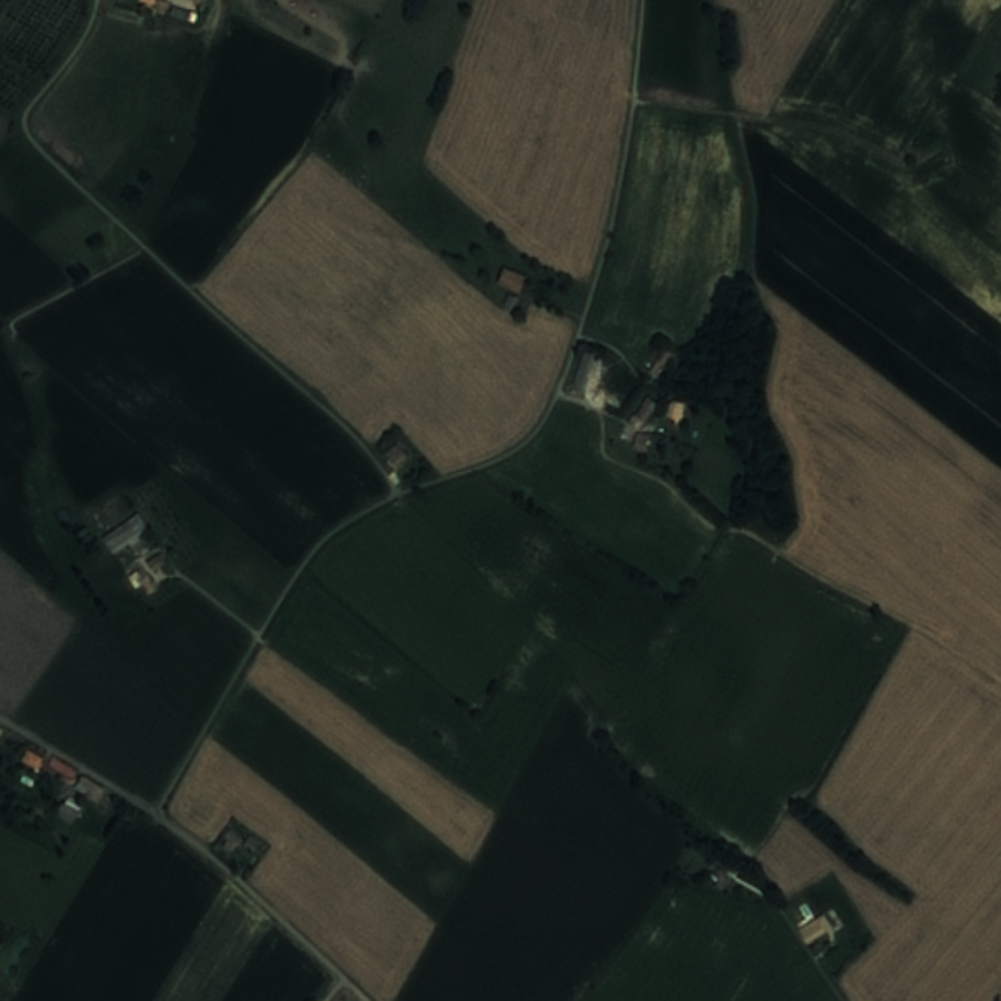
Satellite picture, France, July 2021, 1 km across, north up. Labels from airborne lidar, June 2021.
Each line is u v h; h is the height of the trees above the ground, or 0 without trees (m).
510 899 0
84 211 0
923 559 0
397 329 0
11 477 0
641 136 0
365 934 0
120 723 0
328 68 0
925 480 0
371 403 0
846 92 0
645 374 9
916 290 0
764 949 0
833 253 0
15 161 0
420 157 0
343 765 0
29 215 0
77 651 0
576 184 0
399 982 0
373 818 0
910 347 0
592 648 0
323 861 0
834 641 0
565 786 0
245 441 0
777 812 0
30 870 0
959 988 0
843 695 0
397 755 0
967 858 0
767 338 20
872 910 0
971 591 0
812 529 0
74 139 0
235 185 0
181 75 0
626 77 0
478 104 0
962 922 0
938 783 0
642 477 0
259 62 0
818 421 0
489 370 0
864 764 0
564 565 0
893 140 0
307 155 0
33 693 0
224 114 0
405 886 0
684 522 0
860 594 0
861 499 0
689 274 0
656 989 0
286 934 0
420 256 0
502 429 0
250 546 0
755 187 0
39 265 0
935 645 0
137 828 0
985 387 0
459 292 0
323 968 0
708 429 0
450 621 0
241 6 0
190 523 0
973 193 0
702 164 0
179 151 0
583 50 0
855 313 0
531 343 0
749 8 0
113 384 0
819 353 0
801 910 0
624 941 0
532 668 0
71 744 0
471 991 0
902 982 0
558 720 0
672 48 0
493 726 0
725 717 0
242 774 0
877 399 0
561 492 0
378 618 0
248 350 0
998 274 0
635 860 0
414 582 0
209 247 0
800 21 0
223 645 0
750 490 23
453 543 0
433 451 0
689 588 8
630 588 0
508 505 0
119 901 0
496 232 14
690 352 9
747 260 0
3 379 0
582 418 0
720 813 0
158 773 0
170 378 0
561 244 0
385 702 0
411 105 0
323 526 0
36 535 0
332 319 0
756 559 0
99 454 0
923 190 0
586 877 0
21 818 7
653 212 0
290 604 0
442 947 0
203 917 0
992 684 0
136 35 0
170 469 0
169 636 0
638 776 15
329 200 0
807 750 0
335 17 0
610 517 0
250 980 0
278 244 0
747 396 32
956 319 0
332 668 0
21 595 0
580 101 0
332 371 0
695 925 0
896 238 0
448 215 0
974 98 0
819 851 0
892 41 0
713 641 0
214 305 0
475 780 0
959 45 0
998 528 0
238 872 12
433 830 0
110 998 0
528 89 0
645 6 0
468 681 0
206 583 0
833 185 0
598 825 0
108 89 0
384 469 0
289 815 0
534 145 0
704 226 0
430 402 0
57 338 0
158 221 0
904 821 0
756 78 0
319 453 0
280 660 0
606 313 0
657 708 0
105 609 24
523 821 0
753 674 0
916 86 0
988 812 0
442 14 0
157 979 0
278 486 0
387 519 0
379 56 0
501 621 0
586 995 0
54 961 0
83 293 0
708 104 0
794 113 0
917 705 0
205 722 0
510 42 0
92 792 0
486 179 0
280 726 0
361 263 0
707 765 0
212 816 0
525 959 0
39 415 0
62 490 0
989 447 0
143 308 0
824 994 0
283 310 0
